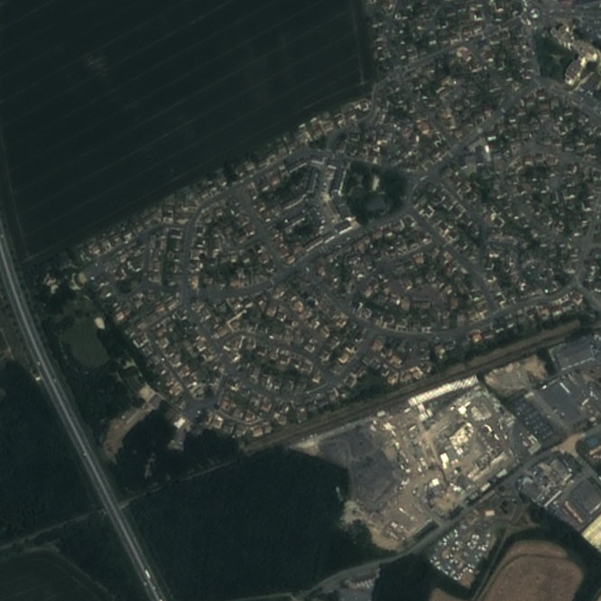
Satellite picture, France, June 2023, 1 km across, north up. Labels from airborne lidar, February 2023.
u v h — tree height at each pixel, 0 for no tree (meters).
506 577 0
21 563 0
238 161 7
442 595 0
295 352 0
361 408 0
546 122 0
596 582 11
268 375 10
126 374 13
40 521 17
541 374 0
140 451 19
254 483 15
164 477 16
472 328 0
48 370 0
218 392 0
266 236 0
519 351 0
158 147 0
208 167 0
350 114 0
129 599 12
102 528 16
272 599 0
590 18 0
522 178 0
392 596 21
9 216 0
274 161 0
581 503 0
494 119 0
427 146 0
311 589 8
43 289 13
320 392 0
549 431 0
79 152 0
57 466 22
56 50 0
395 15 0
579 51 0
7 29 0
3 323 0
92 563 9
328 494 21
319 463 24
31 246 0
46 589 0
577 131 12
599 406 0
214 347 0
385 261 0
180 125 0
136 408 11
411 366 0
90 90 0
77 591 0
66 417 0
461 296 7
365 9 0
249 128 0
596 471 7
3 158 0
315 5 0
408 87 0
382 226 0
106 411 13
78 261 7
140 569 0
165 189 0
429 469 0
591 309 14
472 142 0
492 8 0
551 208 7
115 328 11
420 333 0
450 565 0
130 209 0
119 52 0
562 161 0
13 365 10
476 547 0
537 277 0
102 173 0
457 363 13
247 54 0
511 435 0
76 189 0
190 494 18
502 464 0
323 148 11
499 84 0
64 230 0
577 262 0
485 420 0
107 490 0
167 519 20
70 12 0
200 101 0
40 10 0
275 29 0
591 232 0
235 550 15
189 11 0
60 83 0
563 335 0
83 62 0
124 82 0
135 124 0
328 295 0
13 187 0
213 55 0
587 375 0
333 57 0
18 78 0
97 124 0
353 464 0
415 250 0
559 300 0
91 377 13
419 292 0
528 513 0
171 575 17
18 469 17
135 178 0
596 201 0
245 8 0
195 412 0
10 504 15
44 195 0
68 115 0
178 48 0
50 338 10
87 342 0
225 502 18
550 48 16
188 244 0
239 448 14
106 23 0
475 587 10
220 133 0
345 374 0
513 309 0
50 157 0
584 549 13
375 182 0
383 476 0
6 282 0
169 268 9
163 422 17
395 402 0
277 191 6
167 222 0
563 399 0
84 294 12
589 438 0
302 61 0
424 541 0
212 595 15
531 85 0
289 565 19
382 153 9
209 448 21
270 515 18
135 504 13
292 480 17
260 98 0
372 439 0
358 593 0
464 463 0
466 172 0
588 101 0
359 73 0
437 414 0
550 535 8
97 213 0
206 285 6
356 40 0
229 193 0
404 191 7
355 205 8
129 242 0
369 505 0
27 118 0
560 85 0
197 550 20
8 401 7
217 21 0
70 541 10
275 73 0
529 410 0
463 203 0
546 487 0
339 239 0
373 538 0
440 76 8
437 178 0
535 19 0
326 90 0
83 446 0
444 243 0
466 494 0
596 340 0
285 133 0
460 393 0
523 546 0
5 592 0
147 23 0
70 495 18
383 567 13
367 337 0
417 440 0
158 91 0
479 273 0
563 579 0
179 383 0
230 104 0
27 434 17
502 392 0
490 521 0
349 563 7
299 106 0
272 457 16
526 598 0
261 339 0
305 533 20
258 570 20
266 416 0
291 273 0
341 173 0
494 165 0
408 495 0
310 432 0
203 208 0
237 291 0
